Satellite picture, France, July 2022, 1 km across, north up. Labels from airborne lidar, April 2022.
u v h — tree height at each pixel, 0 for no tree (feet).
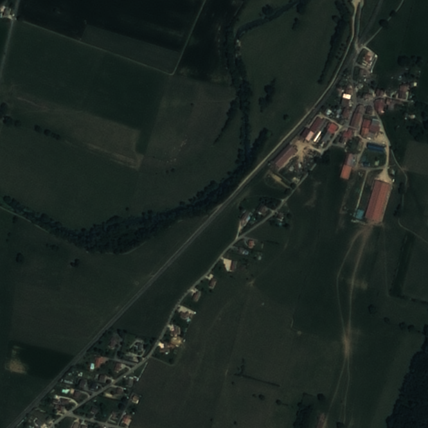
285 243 0
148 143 0
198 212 62
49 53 0
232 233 0
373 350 0
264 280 0
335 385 0
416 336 0
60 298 0
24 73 0
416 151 0
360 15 0
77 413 18
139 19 0
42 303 0
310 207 0
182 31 0
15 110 0
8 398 0
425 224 0
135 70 0
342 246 0
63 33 0
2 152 0
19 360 0
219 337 0
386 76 0
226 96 0
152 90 0
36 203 0
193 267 0
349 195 0
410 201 0
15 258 0
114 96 0
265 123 0
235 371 0
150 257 0
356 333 0
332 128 0
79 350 0
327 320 0
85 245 78
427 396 54
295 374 0
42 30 0
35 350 0
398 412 51
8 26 0
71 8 0
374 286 0
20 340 0
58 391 0
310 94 0
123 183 0
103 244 49
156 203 0
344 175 0
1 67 0
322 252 0
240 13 35
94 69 0
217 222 0
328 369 0
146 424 0
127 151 0
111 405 0
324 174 0
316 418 0
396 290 0
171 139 0
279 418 0
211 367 0
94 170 0
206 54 0
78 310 0
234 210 0
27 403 0
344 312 0
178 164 0
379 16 0
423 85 0
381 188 0
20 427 0
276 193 0
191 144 0
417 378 64
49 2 0
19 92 0
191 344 0
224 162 0
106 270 0
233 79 32
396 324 0
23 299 0
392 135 0
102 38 0
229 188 74
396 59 0
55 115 0
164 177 0
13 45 0
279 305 0
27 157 0
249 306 0
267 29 0
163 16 0
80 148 0
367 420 0
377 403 0
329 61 28
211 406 0
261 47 0
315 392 0
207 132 0
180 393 0
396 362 0
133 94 0
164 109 0
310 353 0
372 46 0
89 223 0
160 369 0
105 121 0
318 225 0
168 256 0
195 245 0
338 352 0
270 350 0
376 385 0
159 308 0
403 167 0
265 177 0
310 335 0
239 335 0
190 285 0
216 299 0
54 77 0
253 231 0
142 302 0
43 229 30
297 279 0
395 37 0
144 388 0
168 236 0
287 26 0
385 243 0
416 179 0
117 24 0
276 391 0
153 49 0
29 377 0
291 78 0
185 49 0
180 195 0
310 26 0
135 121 0
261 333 0
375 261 0
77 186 0
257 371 0
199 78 0
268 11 89
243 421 0
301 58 0
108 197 0
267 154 0
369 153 0
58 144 0
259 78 0
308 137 0
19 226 0
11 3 23
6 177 0
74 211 0
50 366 0
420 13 0
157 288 0
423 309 0
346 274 0
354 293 0
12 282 0
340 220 0
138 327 0
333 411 0
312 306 0
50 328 0
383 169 0
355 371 0
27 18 0
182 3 0
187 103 0
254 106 0
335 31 0
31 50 0
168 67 0
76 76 0
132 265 0
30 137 0
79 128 0
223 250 0
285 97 0
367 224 0
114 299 0
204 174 0
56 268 0
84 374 0
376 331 0
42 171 0
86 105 0
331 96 0
